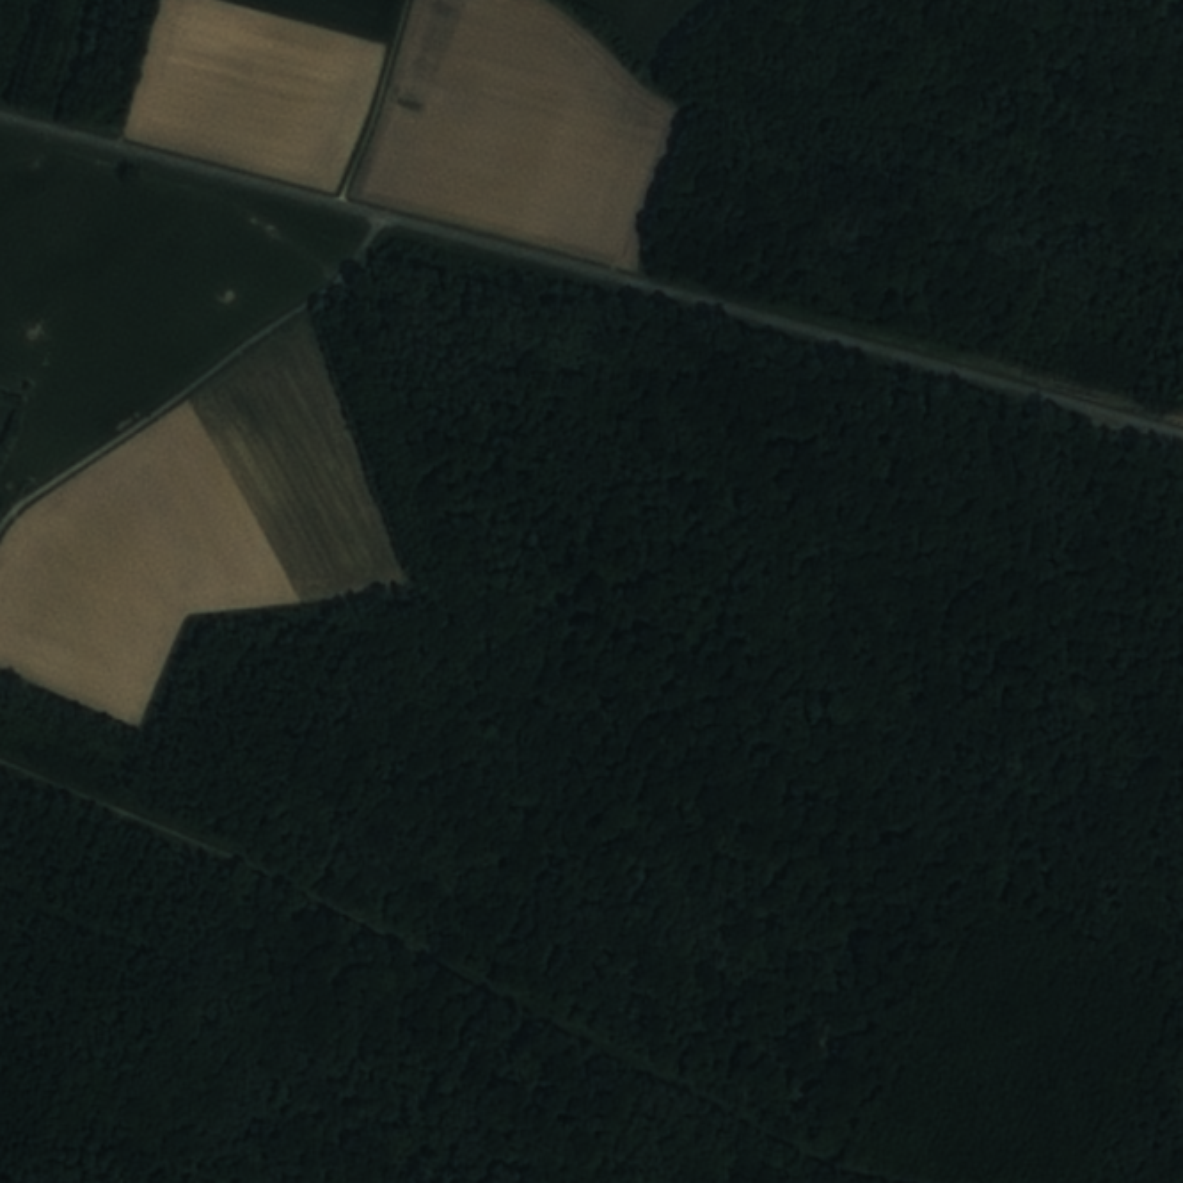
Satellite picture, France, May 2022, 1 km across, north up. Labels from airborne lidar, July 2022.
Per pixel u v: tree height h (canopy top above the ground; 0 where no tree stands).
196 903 19
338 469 0
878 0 24
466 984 20
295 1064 30
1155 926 18
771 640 21
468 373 12
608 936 27
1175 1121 24
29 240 0
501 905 26
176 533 0
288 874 24
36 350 0
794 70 27
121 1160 24
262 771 18
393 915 28
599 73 0
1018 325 14
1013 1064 16
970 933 17
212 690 18
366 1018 27
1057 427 25
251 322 0
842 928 17
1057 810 27
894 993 17
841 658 28
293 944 29
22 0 24
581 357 25
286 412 0
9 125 0
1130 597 23
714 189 24
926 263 20
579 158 0
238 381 0
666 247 24
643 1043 17
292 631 15
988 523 24
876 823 26
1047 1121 17
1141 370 11
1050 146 24
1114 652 12
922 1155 15
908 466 27
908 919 25
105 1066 18
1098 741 22
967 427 21
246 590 0
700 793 28
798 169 19
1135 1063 13
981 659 22
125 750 20
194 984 24
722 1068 21
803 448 27
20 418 6
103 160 0
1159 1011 15
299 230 0
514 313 24
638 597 26
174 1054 24
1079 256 23
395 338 22
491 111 0
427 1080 10
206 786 18
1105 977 18
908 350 0
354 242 0
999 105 20
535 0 0
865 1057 25
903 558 24
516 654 22
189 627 5
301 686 18
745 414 27
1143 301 12
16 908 21
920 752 24
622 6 0
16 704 22
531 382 17
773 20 20
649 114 0
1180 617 22
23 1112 19
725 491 24
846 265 29
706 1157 22
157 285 0
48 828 19
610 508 30
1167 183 24
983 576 23
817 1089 28
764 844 25
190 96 0
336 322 20
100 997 20
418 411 22
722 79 23
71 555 0
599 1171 22
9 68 17
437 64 0
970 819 25
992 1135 15
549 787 29
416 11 0
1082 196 22
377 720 23
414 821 25
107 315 0
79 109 17
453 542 29
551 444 16
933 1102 15
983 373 0
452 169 0
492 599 23
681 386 29
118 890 19
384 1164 23
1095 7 18
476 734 20
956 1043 16
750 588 23
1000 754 26
